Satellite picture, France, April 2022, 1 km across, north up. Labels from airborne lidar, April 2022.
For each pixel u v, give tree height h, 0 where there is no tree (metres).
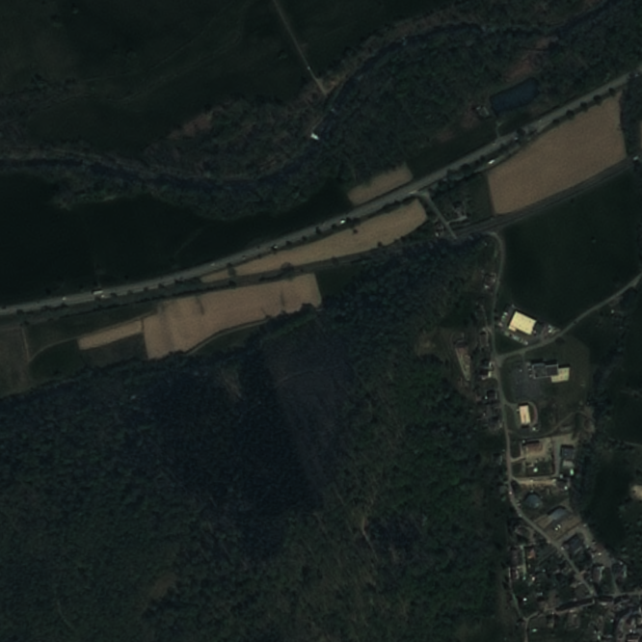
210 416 26
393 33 11
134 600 16
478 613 7
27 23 0
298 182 21
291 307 0
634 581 6
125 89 0
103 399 23
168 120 0
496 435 0
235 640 24
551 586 6
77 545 16
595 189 0
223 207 26
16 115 17
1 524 20
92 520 26
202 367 19
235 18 0
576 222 0
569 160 0
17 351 0
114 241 0
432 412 21
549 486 0
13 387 0
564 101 20
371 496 23
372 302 9
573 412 0
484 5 8
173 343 0
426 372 23
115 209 0
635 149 8
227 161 21
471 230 0
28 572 17
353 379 18
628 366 0
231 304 0
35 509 19
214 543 14
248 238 0
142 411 22
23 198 0
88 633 18
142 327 0
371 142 29
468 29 17
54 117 0
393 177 0
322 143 11
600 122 0
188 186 20
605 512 0
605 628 0
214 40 0
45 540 19
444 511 20
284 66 0
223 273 0
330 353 19
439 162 0
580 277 0
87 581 13
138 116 0
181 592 18
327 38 0
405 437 25
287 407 16
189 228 0
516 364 0
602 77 22
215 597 20
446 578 22
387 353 17
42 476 15
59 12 0
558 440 0
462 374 0
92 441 22
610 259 0
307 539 18
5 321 0
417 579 18
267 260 0
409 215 0
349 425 18
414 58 15
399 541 25
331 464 15
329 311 22
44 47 0
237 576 19
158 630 19
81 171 11
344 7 0
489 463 0
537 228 0
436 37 16
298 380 13
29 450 26
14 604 15
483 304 0
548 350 0
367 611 23
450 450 16
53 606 13
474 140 0
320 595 23
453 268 20
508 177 0
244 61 0
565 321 0
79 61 0
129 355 0
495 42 23
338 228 9
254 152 22
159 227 0
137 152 0
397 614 22
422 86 26
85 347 0
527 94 0
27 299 0
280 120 22
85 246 0
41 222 0
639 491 0
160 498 23
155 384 20
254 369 25
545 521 0
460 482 15
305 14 0
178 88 0
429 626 22
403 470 26
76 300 0
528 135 11
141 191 18
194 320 0
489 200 0
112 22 0
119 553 19
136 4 0
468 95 23
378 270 8
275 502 25
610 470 0
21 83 0
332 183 0
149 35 0
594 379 0
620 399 0
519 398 0
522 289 0
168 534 19
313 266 0
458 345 0
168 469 20
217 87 0
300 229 0
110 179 23
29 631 18
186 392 24
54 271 0
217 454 25
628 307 21
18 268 0
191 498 26
